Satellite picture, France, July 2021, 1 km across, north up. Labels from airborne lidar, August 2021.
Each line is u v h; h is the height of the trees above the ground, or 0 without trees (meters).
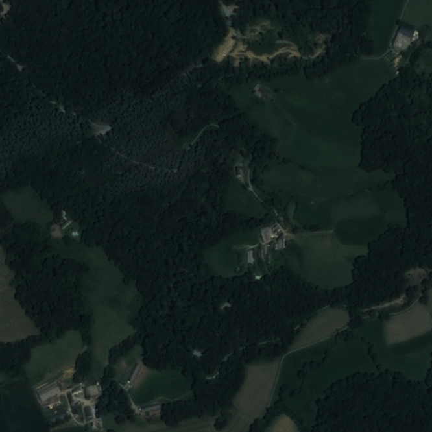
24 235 13
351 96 0
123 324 0
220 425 19
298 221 0
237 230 16
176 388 0
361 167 19
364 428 25
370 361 0
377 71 0
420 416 27
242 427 0
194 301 22
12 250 23
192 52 23
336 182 0
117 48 29
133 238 26
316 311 23
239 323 25
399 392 30
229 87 10
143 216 20
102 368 0
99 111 28
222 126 21
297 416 10
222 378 14
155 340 37
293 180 0
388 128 21
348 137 0
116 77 32
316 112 0
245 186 9
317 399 0
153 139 18
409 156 28
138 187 20
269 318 27
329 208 0
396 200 0
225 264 0
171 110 18
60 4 34
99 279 0
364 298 25
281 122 0
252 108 0
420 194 23
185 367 28
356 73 0
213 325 21
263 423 22
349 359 0
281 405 23
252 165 11
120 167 15
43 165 19
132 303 0
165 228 27
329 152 0
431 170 21
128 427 0
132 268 25
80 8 23
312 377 0
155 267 28
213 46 32
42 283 31
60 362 0
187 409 33
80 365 14
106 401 21
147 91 26
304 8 30
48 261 24
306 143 0
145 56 26
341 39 29
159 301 29
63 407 0
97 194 21
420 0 0
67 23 26
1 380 0
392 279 25
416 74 26
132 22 27
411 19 0
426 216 26
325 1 24
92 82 33
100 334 0
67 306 11
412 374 0
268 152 30
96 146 19
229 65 7
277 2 39
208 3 27
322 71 18
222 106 25
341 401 26
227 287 28
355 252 0
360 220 0
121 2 30
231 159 18
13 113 30
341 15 22
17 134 17
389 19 0
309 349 0
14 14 22
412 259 35
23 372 12
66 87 32
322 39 0
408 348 0
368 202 0
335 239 0
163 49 28
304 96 0
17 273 9
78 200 26
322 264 0
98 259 0
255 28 0
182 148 6
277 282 18
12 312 0
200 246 22
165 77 34
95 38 36
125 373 0
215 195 25
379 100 16
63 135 11
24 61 22
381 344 0
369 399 25
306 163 0
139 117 10
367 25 21
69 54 30
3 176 22
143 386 0
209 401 34
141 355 0
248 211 0
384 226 0
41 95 18
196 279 9
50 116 20
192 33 34
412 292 30
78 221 17
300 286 22
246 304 15
